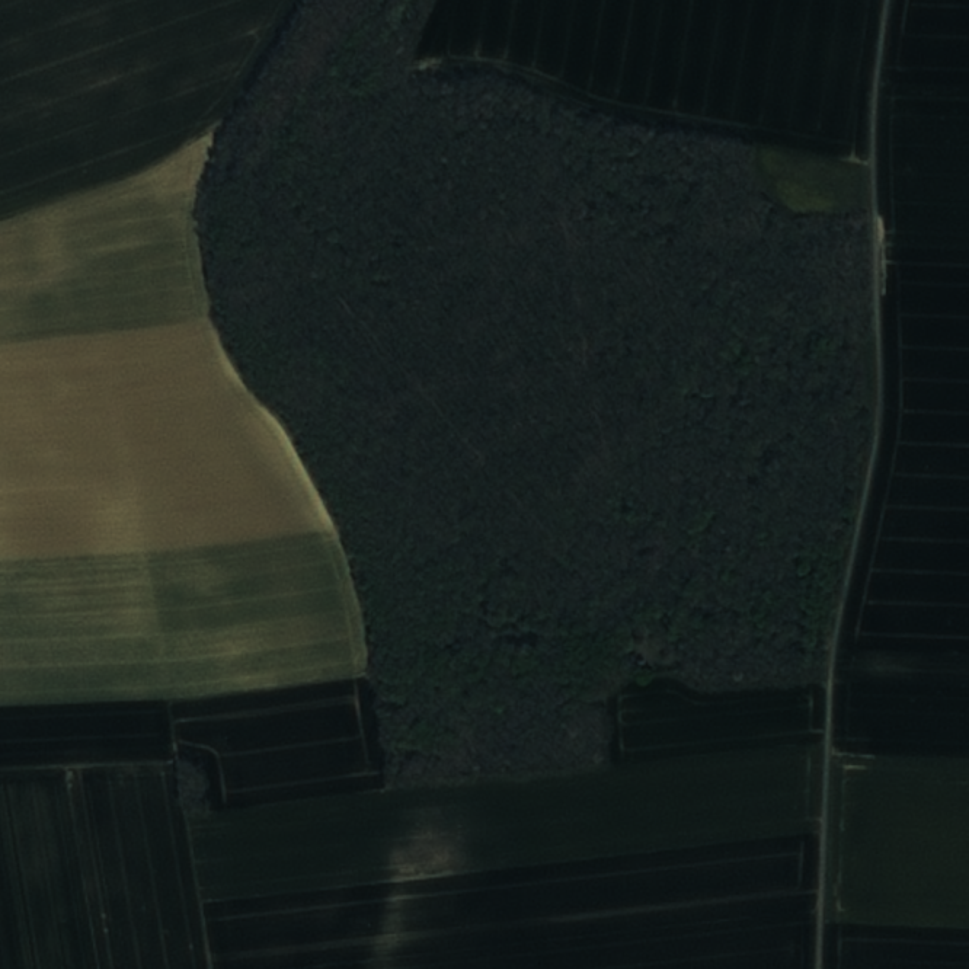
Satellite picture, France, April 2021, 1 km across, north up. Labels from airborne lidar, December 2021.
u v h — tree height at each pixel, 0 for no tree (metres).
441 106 25
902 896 0
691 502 22
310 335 24
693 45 0
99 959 0
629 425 24
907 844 0
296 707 0
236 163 18
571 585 21
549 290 25
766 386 20
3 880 0
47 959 0
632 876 0
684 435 21
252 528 0
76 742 0
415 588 21
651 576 23
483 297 26
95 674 0
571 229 25
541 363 26
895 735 0
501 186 23
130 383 0
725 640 21
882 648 0
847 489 7
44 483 0
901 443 0
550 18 0
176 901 0
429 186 27
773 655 19
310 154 23
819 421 20
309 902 0
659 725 0
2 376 0
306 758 0
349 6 22
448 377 25
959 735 0
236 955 0
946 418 0
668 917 0
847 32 0
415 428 28
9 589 0
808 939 0
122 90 0
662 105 0
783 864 0
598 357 19
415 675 21
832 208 0
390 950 0
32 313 0
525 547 24
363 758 0
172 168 0
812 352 19
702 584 23
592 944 0
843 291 26
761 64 0
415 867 0
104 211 0
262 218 24
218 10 0
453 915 0
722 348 22
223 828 0
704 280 24
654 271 22
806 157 0
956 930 0
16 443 0
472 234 26
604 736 17
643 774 0
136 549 0
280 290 24
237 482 0
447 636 22
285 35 15
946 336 0
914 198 0
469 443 26
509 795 0
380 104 22
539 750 23
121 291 0
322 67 24
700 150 25
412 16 22
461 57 0
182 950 0
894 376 0
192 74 0
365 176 24
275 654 0
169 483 0
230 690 0
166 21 0
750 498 22
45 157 0
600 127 22
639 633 18
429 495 24
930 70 0
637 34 0
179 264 0
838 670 0
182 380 0
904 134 0
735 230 27
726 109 0
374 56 24
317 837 0
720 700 0
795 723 0
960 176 0
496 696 24
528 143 23
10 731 0
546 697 23
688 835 0
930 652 0
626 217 20
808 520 25
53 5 0
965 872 0
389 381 25
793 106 0
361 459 21
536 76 0
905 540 0
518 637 10
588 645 22
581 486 22
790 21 0
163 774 0
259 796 0
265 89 20
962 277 0
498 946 0
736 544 24
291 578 0
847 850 0
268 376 21
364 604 11
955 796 0
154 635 0
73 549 0
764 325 24
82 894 0
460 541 18
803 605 20
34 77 0
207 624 0
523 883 0
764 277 25
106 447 0
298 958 0
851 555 0
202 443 0
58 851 0
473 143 21
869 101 0
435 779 21
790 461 18
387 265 22
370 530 19
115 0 0
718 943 0
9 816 0
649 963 0
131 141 0
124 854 0
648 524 19
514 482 25
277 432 0
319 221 19
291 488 0
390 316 24
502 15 0
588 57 0
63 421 0
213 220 17
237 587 0
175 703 0
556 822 0
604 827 0
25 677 0
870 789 0
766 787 0
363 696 0
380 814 0
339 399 24
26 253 0
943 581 0
